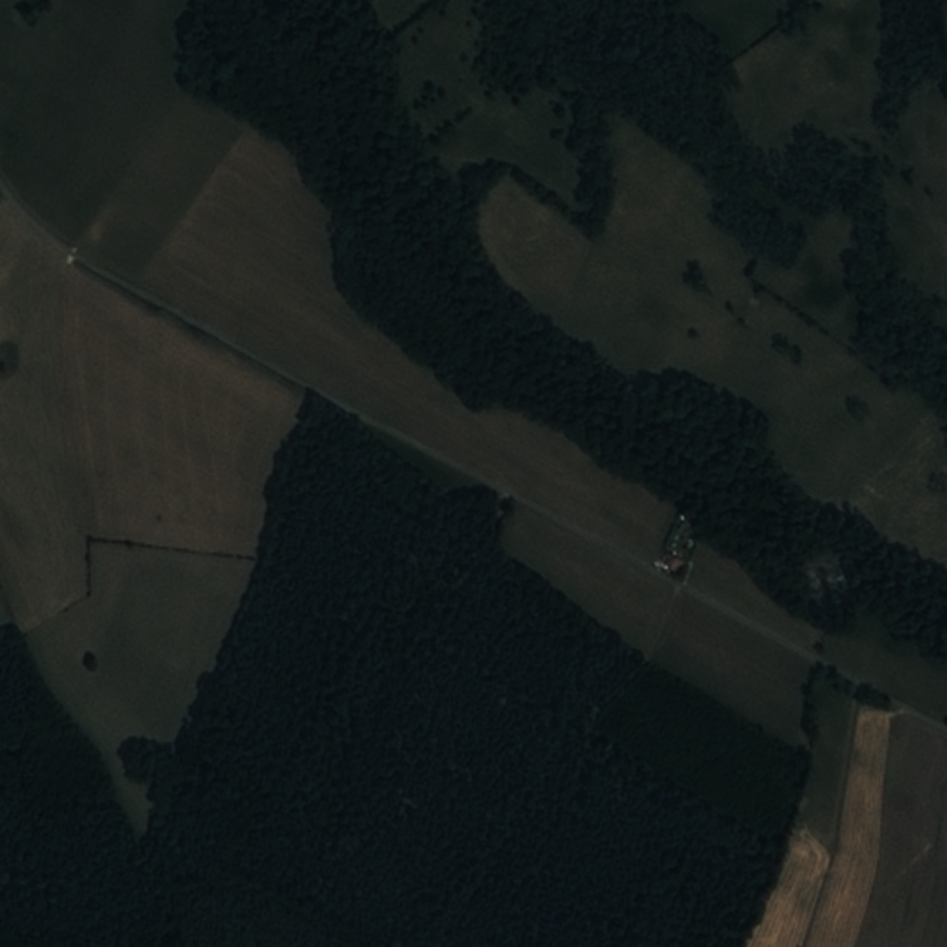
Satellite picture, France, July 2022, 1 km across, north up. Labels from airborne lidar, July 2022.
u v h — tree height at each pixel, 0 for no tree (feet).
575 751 71
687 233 0
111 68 0
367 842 77
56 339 0
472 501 62
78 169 0
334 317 0
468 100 0
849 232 0
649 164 0
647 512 0
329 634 79
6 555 0
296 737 73
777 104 0
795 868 0
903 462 0
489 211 0
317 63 82
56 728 57
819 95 0
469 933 73
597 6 103
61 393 0
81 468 0
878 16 0
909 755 0
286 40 93
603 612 0
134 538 0
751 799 18
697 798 39
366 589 99
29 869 77
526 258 0
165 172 0
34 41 0
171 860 62
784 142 0
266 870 77
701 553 0
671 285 0
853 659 0
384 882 56
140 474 0
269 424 0
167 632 0
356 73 87
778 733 0
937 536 0
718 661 0
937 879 0
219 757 59
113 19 0
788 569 108
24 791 64
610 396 59
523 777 100
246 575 0
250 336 0
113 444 0
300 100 79
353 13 90
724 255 0
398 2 0
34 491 0
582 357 79
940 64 81
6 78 0
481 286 95
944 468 0
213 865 54
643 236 0
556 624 73
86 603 0
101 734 0
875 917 0
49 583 0
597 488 0
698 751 17
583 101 74
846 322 0
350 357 0
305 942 64
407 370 0
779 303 33
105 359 0
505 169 35
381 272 75
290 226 0
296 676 72
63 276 0
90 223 0
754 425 80
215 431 0
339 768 84
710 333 0
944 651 97
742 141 99
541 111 0
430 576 63
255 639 77
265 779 54
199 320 0
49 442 0
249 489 0
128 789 0
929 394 62
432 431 0
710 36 63
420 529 102
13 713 80
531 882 74
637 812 88
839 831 0
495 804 85
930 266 0
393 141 90
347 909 76
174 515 0
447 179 81
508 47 50
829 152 74
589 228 65
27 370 0
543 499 0
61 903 67
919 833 0
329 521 59
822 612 93
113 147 0
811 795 0
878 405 0
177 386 0
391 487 66
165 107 0
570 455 0
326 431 64
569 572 0
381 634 96
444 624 67
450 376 75
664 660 0
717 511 89
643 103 90
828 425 0
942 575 87
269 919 52
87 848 73
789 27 71
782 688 0
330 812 68
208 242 0
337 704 90
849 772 0
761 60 0
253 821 65
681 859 87
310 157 82
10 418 0
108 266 0
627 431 79
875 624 0
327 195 71
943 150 0
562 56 94
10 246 0
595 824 97
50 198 0
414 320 83
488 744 79
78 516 0
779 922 0
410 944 94
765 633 0
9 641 70
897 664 0
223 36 91
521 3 41
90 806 64
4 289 0
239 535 0
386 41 79
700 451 91
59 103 0
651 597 0
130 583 0
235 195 0
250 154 0
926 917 0
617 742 22
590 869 83
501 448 0
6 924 63
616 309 0
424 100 33
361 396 0
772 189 89
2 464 0
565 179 0
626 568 0
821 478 0
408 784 80
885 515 0
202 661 0
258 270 0
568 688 85
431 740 84
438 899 97
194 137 0
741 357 0
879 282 96
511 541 0
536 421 52
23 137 0
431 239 81
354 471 67
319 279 0
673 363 0
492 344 53
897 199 0
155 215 0
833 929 0
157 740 0
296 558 83
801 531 80
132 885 76
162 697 0
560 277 0
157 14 0
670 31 78
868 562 81
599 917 90
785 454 0
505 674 69
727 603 0
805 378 0
